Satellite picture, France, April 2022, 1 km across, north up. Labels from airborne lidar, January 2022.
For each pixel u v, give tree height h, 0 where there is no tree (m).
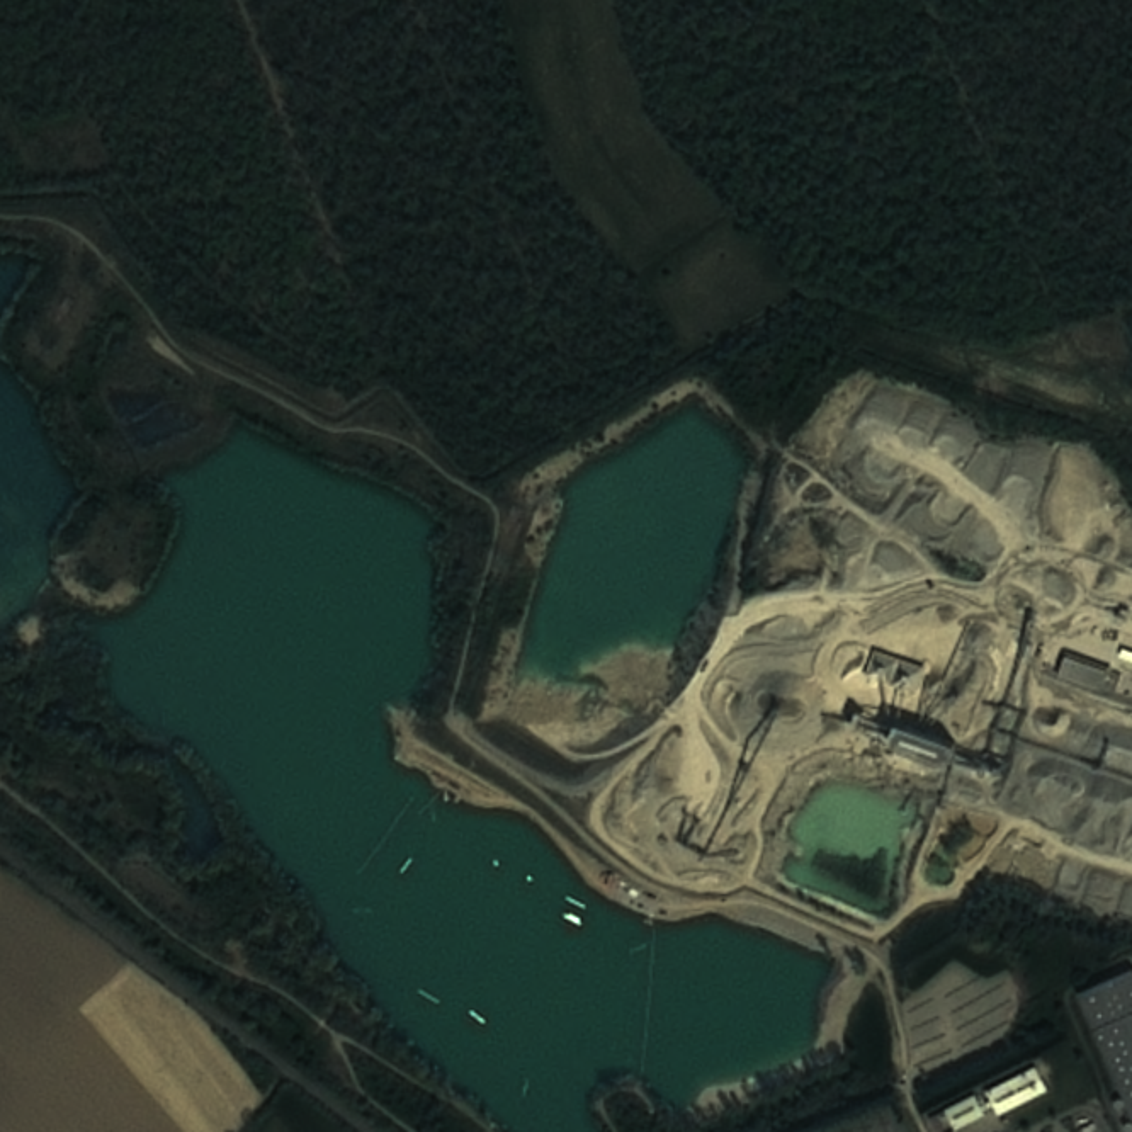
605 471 0
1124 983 0
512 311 15
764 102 16
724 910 0
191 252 15
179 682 0
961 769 0
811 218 17
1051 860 0
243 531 0
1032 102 16
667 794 0
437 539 11
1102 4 14
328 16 13
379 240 15
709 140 8
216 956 0
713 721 0
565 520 0
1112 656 0
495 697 0
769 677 0
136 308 0
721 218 0
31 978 0
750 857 0
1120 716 0
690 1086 0
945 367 0
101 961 0
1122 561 0
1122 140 19
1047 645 0
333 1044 0
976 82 21
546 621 0
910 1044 0
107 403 0
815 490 0
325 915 0
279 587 0
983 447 0
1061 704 0
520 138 11
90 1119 0
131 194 10
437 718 0
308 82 18
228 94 9
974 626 0
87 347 10
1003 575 0
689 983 0
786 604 0
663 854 0
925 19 18
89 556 0
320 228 13
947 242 17
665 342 18
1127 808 0
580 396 15
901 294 19
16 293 8
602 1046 0
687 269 0
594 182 0
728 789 0
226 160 14
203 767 7
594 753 0
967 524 0
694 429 0
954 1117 0
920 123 11
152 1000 0
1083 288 10
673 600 0
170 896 0
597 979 0
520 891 0
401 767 0
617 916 0
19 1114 0
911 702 0
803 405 0
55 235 0
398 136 14
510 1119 0
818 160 10
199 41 13
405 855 0
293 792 0
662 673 0
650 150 0
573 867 0
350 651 0
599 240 16
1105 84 12
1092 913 6
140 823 0
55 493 0
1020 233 13
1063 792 0
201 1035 0
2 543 0
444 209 10
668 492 0
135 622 0
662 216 0
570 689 0
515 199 18
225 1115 0
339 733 0
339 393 7
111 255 0
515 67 18
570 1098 0
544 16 0
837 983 0
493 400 12
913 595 0
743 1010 0
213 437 0
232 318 13
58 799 11
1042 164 17
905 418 0
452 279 18
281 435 10
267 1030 12
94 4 12
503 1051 0
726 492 0
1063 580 0
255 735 0
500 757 0
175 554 0
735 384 6
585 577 0
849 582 0
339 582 0
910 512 0
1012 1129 0
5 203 0
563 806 0
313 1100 7
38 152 0
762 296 0
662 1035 0
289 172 13
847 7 9
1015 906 7
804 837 0
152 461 0
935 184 21
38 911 0
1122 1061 0
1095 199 10
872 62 14
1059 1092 0
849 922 0
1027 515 0
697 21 15
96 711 8
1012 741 0
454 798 0
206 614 0
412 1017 0
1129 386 0
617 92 0
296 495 0
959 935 0
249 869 6
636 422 0
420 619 0
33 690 16
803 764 0
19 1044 0
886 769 0
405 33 19
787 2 15
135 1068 0
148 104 12
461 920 0
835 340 10
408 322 8
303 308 13
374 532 0
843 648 0
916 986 0
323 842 0
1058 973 0
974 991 0
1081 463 0
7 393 0
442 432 7
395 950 0
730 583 0
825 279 16
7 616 0
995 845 0
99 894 12
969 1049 0
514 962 0
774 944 0
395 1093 9
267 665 0
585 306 20
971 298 9
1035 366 0
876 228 15
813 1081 11
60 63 10
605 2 0
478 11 7
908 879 0
